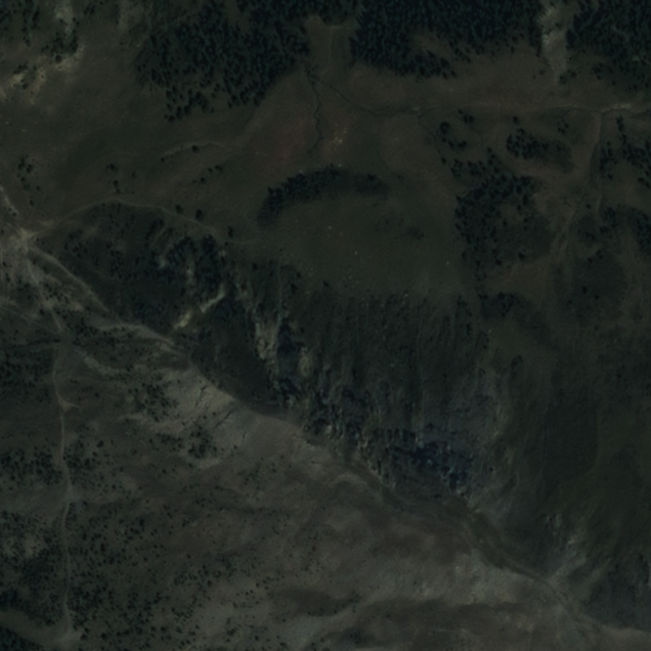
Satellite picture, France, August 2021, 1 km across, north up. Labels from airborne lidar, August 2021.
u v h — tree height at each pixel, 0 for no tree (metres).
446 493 0
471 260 0
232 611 0
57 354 0
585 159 0
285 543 0
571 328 0
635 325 0
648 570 0
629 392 0
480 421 0
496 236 10
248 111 0
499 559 0
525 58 0
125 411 0
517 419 0
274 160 0
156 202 0
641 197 0
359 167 0
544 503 0
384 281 0
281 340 0
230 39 16
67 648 0
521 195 11
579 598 0
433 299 0
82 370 0
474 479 0
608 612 0
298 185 12
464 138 0
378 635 0
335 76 0
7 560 6
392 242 0
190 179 0
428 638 0
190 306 0
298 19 14
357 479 0
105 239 0
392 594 0
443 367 0
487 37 7
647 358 0
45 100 0
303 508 0
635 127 0
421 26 15
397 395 0
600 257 7
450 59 0
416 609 0
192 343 0
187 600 0
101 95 0
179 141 0
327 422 0
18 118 0
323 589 0
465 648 0
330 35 0
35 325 0
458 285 0
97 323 0
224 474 0
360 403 0
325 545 0
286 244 0
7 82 0
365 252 0
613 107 0
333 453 0
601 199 0
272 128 0
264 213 0
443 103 0
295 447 0
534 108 0
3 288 0
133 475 0
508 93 0
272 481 0
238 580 0
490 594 0
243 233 0
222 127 0
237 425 0
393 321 0
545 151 9
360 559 0
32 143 0
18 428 0
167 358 0
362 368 0
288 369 0
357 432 0
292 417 0
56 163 0
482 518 0
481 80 0
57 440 0
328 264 0
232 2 0
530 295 0
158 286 0
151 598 0
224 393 0
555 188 0
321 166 0
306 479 0
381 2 16
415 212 0
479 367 0
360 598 0
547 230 0
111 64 0
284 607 0
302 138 0
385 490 0
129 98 0
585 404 0
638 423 0
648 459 0
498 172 11
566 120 0
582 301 0
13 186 0
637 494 0
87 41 0
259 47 16
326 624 0
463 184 0
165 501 0
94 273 0
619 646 0
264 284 0
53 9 0
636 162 13
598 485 0
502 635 0
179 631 8
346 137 0
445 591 0
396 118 0
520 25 10
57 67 0
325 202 0
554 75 0
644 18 7
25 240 0
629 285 0
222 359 0
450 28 13
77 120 0
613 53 11
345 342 0
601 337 0
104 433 0
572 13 0
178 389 0
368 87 0
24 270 0
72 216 0
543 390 0
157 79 13
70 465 6
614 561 0
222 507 0
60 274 0
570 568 0
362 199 0
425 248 0
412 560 0
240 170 0
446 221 0
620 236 0
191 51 15
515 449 0
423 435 0
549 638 0
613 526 0
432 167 0
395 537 0
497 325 0
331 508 0
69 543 0
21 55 0
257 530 0
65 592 0
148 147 0
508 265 0
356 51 12
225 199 0
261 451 0
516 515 0
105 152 0
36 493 0
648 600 0
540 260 0
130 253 0
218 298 0
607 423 0
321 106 0
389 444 0
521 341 0
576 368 0
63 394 0
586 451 0
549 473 0
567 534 0
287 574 0
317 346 0
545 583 0
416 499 0
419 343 0
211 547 0
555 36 0
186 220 0
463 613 0
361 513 0
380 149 0
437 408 0
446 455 0
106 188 0
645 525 0
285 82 0
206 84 6
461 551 0
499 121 0
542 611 0
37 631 0
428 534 0
